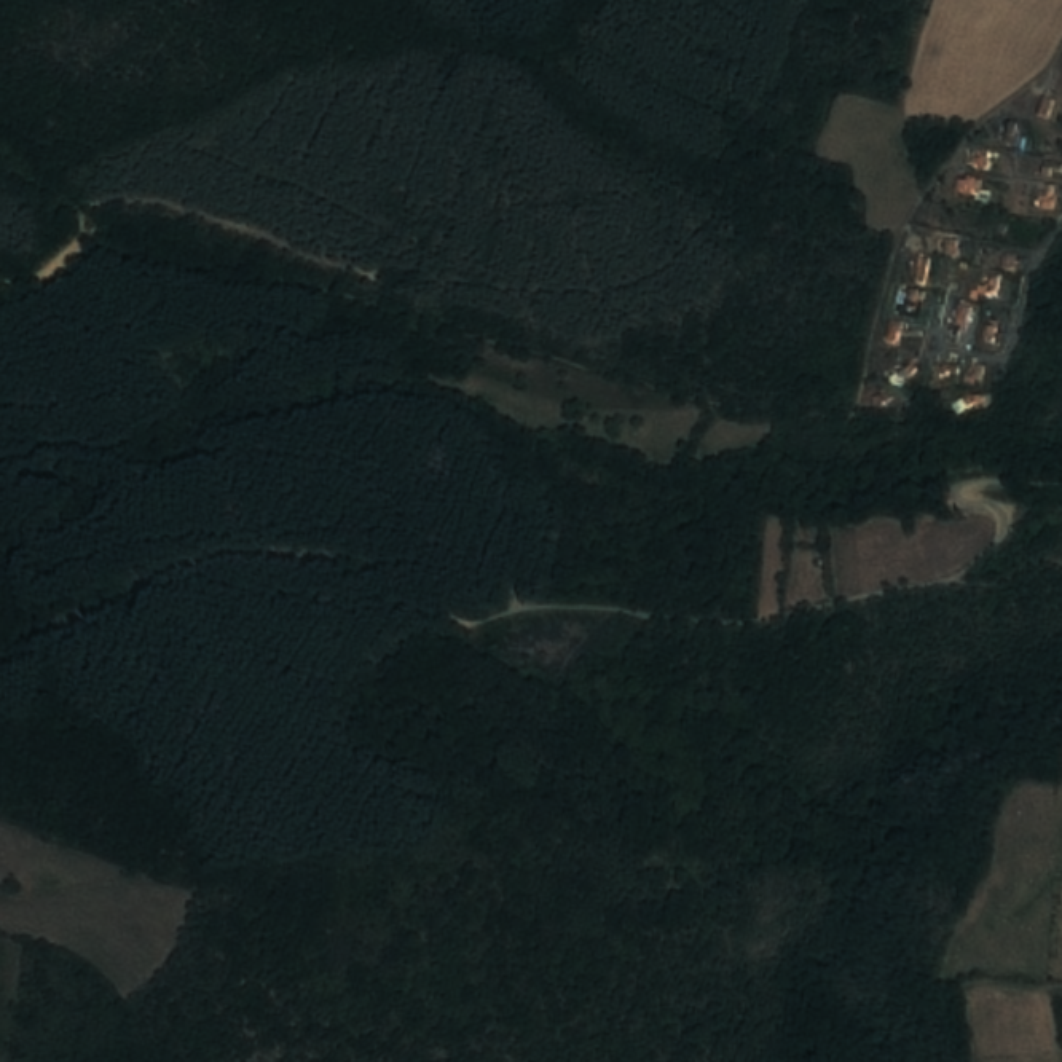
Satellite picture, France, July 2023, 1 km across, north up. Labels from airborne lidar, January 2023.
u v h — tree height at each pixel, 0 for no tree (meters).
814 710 12
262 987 15
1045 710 25
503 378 0
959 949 0
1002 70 0
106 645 29
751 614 13
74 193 16
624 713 15
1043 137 0
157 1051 10
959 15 0
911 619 9
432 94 15
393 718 21
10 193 18
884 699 17
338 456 26
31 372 27
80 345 28
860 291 13
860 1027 16
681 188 14
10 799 10
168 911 0
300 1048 16
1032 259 0
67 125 18
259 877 14
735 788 14
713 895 17
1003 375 8
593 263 15
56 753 12
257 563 28
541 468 14
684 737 11
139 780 11
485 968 8
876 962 12
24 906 0
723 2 10
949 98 0
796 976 25
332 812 26
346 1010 8
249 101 17
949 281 0
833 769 10
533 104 12
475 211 13
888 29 9
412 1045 8
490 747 18
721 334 14
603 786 20
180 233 15
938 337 0
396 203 12
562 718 15
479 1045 12
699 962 13
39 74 13
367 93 15
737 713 7
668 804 17
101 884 0
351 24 16
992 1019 0
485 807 8
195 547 29
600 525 10
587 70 13
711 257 16
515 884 7
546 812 12
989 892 0
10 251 14
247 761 24
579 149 17
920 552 0
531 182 7
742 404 11
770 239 12
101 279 28
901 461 7
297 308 26
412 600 28
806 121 18
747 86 16
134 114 14
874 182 0
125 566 28
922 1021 19
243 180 12
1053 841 0
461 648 17
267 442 29
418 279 16
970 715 23
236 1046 15
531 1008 8
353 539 29
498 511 22
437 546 25
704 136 19
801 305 9
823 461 8
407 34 10
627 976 9
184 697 26
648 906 19
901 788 30
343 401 19
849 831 28
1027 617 10
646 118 16
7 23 11
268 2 12
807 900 17
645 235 16
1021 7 0
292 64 13
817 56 16
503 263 12
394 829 23
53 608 19
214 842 22
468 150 13
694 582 14
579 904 13
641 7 14
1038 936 0
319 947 11
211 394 17
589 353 11
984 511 9
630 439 0
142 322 24
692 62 16
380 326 17
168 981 11
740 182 16
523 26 24
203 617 30
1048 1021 0
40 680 26
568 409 12
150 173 16
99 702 23
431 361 21
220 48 15
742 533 13
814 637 12
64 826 12
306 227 17
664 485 9
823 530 12
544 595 21
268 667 30
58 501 28
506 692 18
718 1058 18
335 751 23
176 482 29
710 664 13
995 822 11
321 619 28
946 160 9
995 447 17
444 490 28
